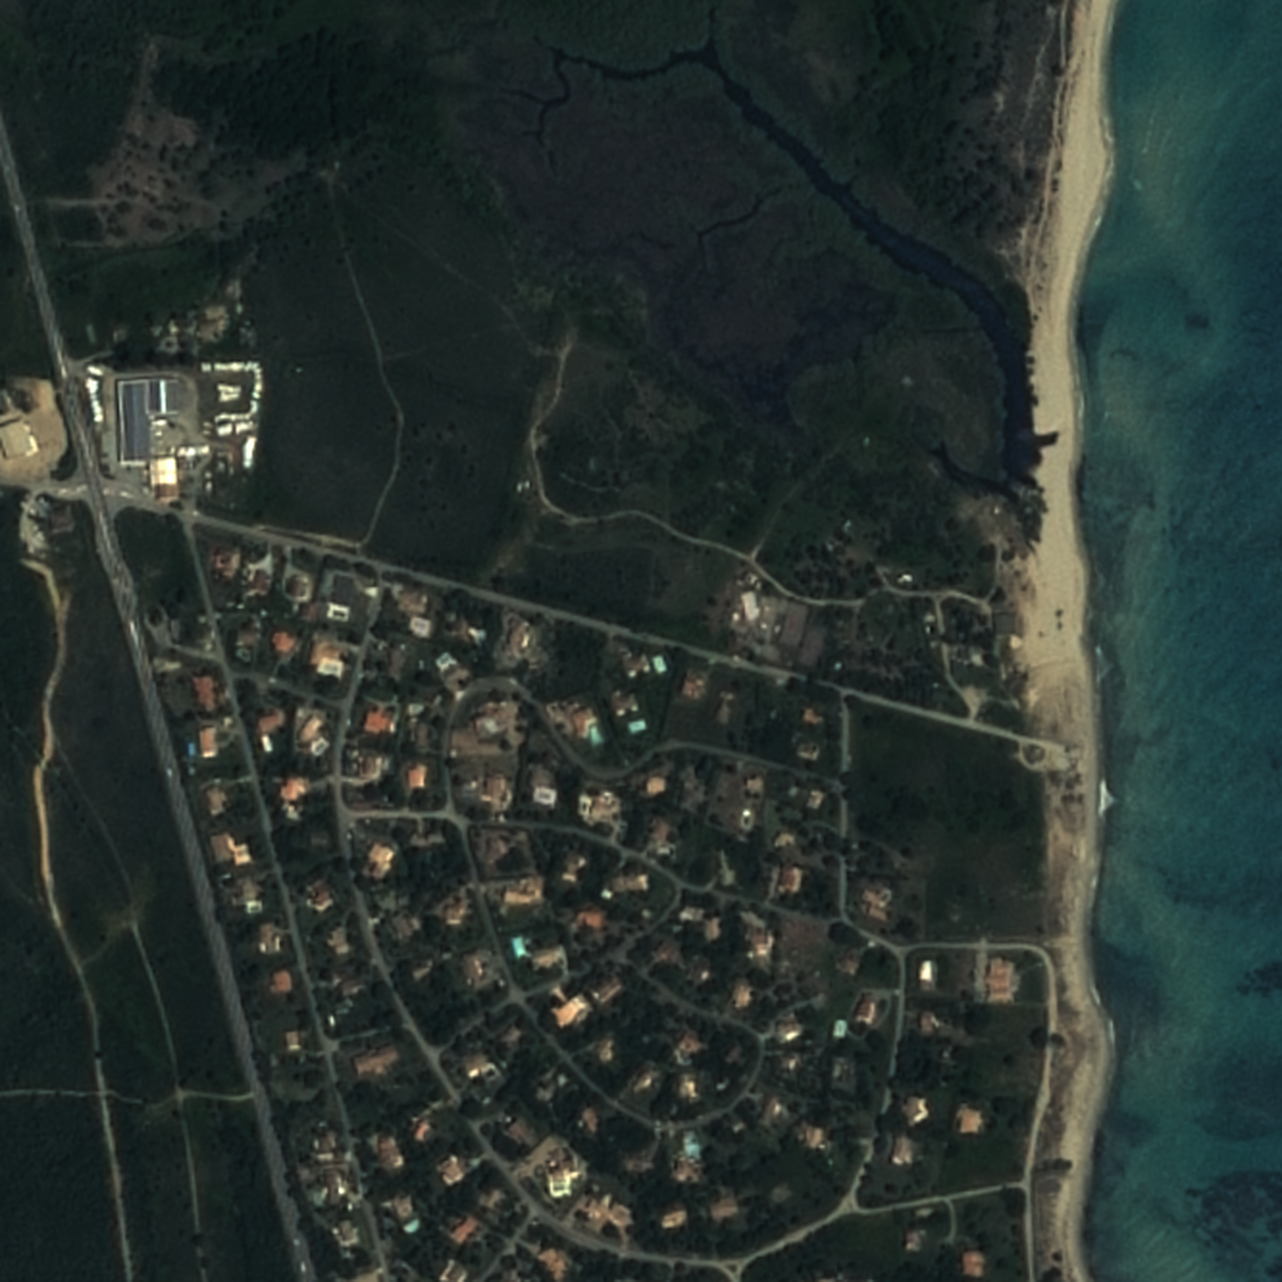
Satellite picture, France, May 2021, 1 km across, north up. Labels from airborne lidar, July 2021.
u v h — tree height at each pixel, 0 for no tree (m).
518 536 0
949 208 9
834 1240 6
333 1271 6
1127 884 0
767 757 5
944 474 0
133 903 0
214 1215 0
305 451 0
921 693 6
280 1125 9
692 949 10
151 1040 0
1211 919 0
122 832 0
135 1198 6
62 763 0
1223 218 0
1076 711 0
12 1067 7
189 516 0
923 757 0
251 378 0
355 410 0
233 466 0
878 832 7
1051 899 0
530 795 8
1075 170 0
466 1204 14
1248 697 0
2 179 0
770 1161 17
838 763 6
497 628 9
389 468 0
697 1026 9
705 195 0
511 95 0
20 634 5
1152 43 0
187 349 12
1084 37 0
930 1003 7
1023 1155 0
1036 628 0
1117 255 0
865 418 0
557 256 0
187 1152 0
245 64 8
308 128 15
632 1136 11
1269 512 0
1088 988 0
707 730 0
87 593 0
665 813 6
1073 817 0
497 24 7
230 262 11
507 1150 10
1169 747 0
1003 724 0
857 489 6
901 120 9
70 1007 6
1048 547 0
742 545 0
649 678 10
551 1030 12
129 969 0
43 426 0
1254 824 0
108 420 0
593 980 8
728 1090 7
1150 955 0
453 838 9
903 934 11
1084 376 0
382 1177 10
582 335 0
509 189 0
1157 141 0
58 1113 7
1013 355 0
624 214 0
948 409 0
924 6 0
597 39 6
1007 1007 0
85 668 0
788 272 0
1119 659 0
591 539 0
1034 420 0
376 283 0
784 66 0
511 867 10
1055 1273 6
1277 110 0
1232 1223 0
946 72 7
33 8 7
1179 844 0
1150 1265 0
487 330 0
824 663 6
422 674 11
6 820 0
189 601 13
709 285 0
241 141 12
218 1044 10
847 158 6
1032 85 0
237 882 10
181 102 8
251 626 6
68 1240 6
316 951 7
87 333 0
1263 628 0
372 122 9
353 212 0
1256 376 0
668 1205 8
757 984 7
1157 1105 0
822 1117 9
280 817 8
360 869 7
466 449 8
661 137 0
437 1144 8
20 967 5
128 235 10
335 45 11
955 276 0
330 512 0
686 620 0
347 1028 7
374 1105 8
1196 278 0
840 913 8
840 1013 0
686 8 6
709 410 7
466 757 0
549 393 0
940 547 7
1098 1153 0
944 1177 0
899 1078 8
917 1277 8
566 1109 7
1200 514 0
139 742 0
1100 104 0
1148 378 0
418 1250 9
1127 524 0
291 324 0
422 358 0
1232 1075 0
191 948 0
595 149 0
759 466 7
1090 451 0
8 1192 7
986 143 9
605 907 8
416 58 8
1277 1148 0
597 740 0
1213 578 0
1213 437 0
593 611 7
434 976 10
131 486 0
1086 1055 0
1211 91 0
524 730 8
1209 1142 0
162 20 9
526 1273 7
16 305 0
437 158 7
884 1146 9
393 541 0
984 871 0
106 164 8
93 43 6
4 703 8
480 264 0
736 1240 9
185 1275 0
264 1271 6
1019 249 0
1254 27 0
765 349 0
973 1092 11
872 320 0
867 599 13
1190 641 0
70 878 0
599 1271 9
